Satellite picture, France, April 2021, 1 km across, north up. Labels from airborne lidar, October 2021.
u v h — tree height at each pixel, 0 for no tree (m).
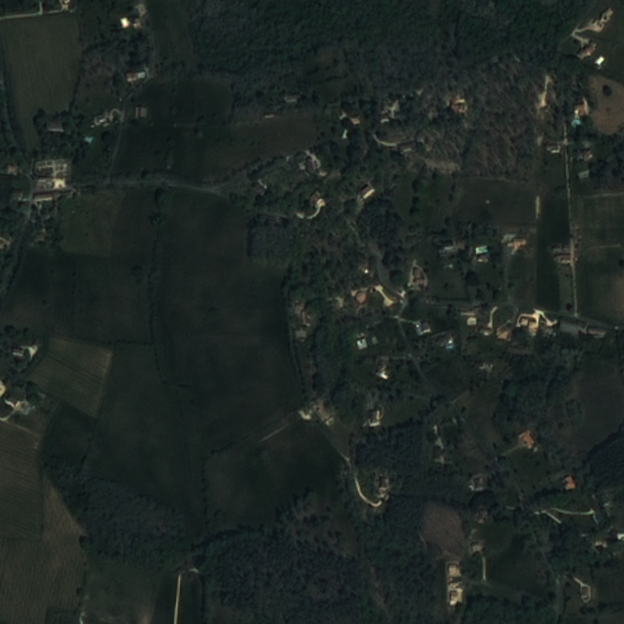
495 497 16
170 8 0
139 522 9
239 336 0
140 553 19
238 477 0
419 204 18
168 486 0
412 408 0
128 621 0
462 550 20
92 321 0
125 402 0
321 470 0
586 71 6
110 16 8
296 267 16
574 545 22
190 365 0
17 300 0
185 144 0
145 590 0
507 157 17
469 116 18
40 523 0
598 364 0
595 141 15
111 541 14
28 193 0
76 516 15
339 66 14
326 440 0
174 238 0
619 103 0
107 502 18
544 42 10
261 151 0
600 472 16
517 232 0
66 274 0
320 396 12
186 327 0
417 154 12
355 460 13
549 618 26
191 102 0
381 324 12
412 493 15
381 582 12
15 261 20
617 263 0
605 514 11
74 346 0
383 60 11
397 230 22
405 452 18
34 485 0
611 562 15
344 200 10
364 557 8
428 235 7
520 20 24
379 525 20
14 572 0
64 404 0
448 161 16
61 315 0
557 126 11
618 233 0
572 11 20
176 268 0
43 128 10
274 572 15
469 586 9
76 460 0
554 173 0
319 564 19
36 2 18
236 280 0
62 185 0
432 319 0
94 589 0
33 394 15
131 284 0
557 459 17
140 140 0
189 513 0
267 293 0
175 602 0
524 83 17
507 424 13
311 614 16
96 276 0
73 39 0
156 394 0
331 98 0
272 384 0
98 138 0
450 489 15
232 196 11
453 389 0
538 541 23
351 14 21
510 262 0
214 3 17
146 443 0
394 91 12
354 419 20
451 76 10
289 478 0
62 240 7
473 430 0
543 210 0
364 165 12
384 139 20
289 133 0
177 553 16
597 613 12
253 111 17
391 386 9
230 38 10
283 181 13
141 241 0
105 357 0
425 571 24
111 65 13
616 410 0
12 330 12
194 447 0
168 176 22
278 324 0
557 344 11
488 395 0
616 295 0
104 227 0
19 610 0
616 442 20
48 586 0
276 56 13
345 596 18
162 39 0
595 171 11
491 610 21
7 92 11
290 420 0
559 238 0
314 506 16
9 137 18
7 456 0
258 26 12
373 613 18
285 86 14
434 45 12
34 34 0
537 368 7
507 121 16
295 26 14
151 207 0
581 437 0
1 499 0
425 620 17
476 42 19
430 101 11
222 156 0
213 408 0
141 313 0
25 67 0
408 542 19
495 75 16
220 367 0
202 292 0
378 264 18
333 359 25
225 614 0
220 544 22
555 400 15
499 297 12
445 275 0
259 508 0
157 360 6
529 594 0
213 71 13
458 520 19
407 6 19
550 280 0
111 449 0
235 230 0
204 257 0
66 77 0
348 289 21
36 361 7
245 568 20
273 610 14
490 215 0
